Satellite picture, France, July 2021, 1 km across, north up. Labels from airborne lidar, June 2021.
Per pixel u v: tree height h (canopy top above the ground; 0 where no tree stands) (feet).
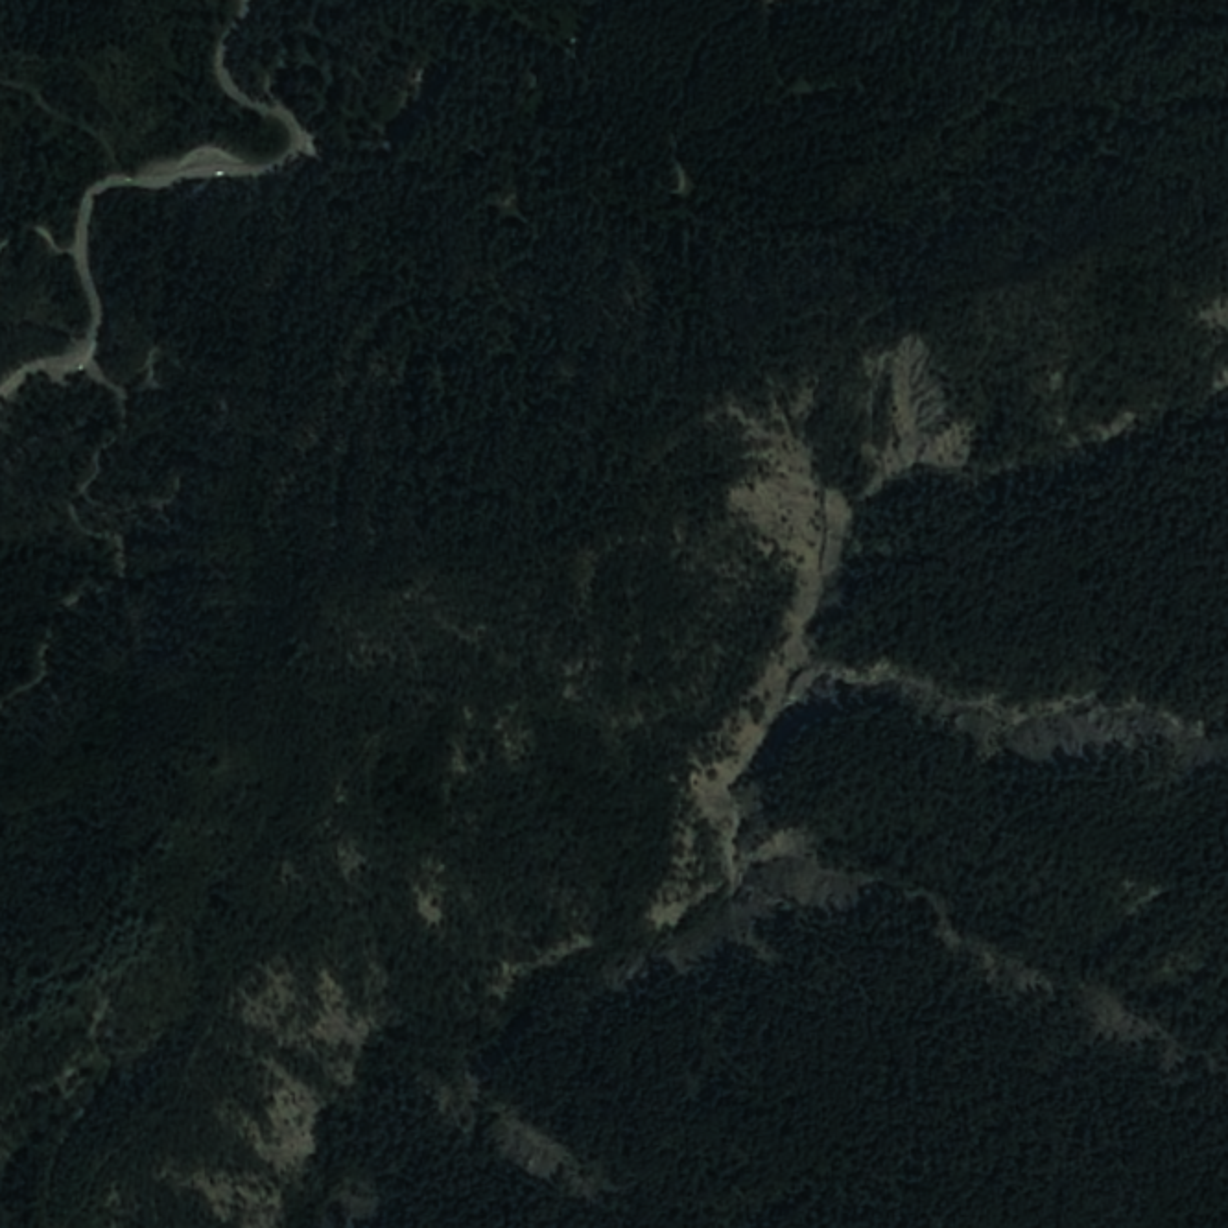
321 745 35
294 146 0
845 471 45
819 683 0
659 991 50
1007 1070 60
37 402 70
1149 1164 35
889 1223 62
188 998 19
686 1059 50
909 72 36
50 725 74
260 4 54
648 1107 37
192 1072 31
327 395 65
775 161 65
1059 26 73
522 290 53
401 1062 37
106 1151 24
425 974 62
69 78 22
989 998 28
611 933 50
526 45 71
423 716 42
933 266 69
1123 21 99
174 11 49
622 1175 43
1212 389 20
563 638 45
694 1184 45
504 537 63
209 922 29
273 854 28
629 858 43
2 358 50
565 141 71
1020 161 27
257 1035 32
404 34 82
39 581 26
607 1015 36
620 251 68
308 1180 49
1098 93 34
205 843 19
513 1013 31
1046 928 31
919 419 0
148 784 21
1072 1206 37
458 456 64
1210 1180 45
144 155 35
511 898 32
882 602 39
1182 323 26
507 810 26
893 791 29
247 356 72
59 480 69
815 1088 39
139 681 28
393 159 95
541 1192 38
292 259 33
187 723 32
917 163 62
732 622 25
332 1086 52
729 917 0
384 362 48
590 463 67
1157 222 51
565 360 65
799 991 37
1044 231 48
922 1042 56
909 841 46
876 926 56
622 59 62
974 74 64
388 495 63
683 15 67
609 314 58
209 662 24
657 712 19
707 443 23
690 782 24
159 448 24
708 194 45
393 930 26
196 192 30
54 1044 30
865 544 21
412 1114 47
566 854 42
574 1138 41
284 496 43
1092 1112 61
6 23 31
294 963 45
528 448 83
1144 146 71
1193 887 34
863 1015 28
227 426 55
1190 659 50
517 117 78
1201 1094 33
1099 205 40
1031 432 45
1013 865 38
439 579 30
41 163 86
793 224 78
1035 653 24
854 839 31
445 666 22
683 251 92
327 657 45
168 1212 70
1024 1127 67
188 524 53
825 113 79
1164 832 31
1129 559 39
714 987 22
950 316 25
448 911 31
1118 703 26
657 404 20
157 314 76
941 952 58
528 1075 49
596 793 33
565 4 51
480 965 32
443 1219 31
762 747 0
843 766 39
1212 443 51
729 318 61
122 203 27
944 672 21
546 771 37
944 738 49
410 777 32
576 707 22
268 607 25
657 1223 39
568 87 83
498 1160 31
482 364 76
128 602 87
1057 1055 24
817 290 47
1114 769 49
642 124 72
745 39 75
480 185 92
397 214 70
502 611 43
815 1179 32
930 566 56
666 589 23
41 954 18
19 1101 20
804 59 68
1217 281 24
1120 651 55
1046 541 51
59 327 47
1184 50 72
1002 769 60
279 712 22
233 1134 31
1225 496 63
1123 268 35
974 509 40
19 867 19
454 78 104
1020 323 29
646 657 19
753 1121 47
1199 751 0
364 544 54
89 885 25
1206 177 65
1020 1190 54
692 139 62
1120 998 30
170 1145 29
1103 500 67
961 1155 50
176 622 52
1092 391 30
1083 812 25
